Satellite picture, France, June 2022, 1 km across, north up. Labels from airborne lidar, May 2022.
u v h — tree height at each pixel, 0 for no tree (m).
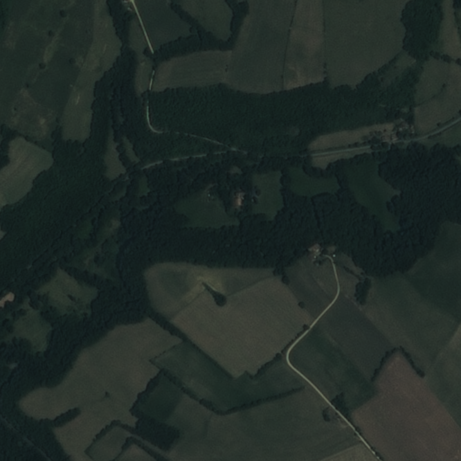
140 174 21
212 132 15
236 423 0
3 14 12
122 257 20
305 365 0
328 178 12
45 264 13
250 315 0
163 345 0
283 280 11
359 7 0
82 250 19
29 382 16
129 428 14
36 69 0
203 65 0
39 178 16
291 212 28
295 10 0
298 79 0
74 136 0
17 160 0
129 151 0
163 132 9
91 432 0
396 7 0
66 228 21
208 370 0
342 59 0
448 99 0
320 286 0
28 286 17
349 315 0
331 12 0
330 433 0
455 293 0
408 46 17
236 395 0
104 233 0
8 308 23
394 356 0
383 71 13
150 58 14
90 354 0
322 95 13
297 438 0
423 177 23
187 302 0
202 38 19
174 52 20
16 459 28
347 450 0
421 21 13
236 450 0
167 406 0
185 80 0
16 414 11
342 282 0
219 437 0
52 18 0
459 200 25
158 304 0
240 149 14
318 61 0
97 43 0
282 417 0
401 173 18
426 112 0
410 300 0
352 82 0
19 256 20
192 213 0
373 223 29
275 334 0
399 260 16
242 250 25
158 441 17
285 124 19
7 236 14
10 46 0
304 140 12
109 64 0
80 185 17
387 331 0
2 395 17
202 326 0
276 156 11
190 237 24
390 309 0
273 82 0
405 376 0
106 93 27
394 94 13
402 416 0
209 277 0
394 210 18
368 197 0
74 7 0
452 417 0
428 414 0
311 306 0
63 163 14
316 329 0
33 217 14
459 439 0
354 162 20
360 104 17
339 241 13
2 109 0
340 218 20
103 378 0
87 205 19
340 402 9
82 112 0
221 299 22
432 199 23
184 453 0
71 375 0
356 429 9
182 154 9
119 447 0
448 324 0
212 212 0
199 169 23
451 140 0
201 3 0
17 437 23
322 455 0
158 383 13
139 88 0
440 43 0
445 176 21
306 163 18
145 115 11
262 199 0
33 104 0
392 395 0
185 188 22
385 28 0
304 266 0
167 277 0
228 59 0
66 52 0
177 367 0
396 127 6
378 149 8
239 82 0
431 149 7
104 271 0
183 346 0
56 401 0
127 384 0
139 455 0
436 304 0
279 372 0
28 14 0
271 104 19
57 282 0
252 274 0
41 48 0
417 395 0
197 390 0
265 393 0
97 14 0
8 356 25
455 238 0
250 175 22
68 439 0
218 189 13
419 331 0
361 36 0
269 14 0
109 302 12
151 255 21
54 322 8
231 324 0
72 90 0
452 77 0
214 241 25
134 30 0
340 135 0
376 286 0
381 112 9
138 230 22
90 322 12
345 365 0
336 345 0
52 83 0
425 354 0
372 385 0
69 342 10
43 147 11
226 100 16
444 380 0
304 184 0
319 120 20
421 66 6
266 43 0
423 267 0
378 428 0
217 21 0
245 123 16
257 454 0
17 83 0
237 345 0
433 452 0
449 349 0
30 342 0
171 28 0
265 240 20
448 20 0
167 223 22
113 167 0
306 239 22
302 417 0
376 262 23
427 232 26
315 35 0
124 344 0
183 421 0
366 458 0
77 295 0
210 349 0
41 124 0
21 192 0
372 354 0
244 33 0
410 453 0
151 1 0
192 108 9
